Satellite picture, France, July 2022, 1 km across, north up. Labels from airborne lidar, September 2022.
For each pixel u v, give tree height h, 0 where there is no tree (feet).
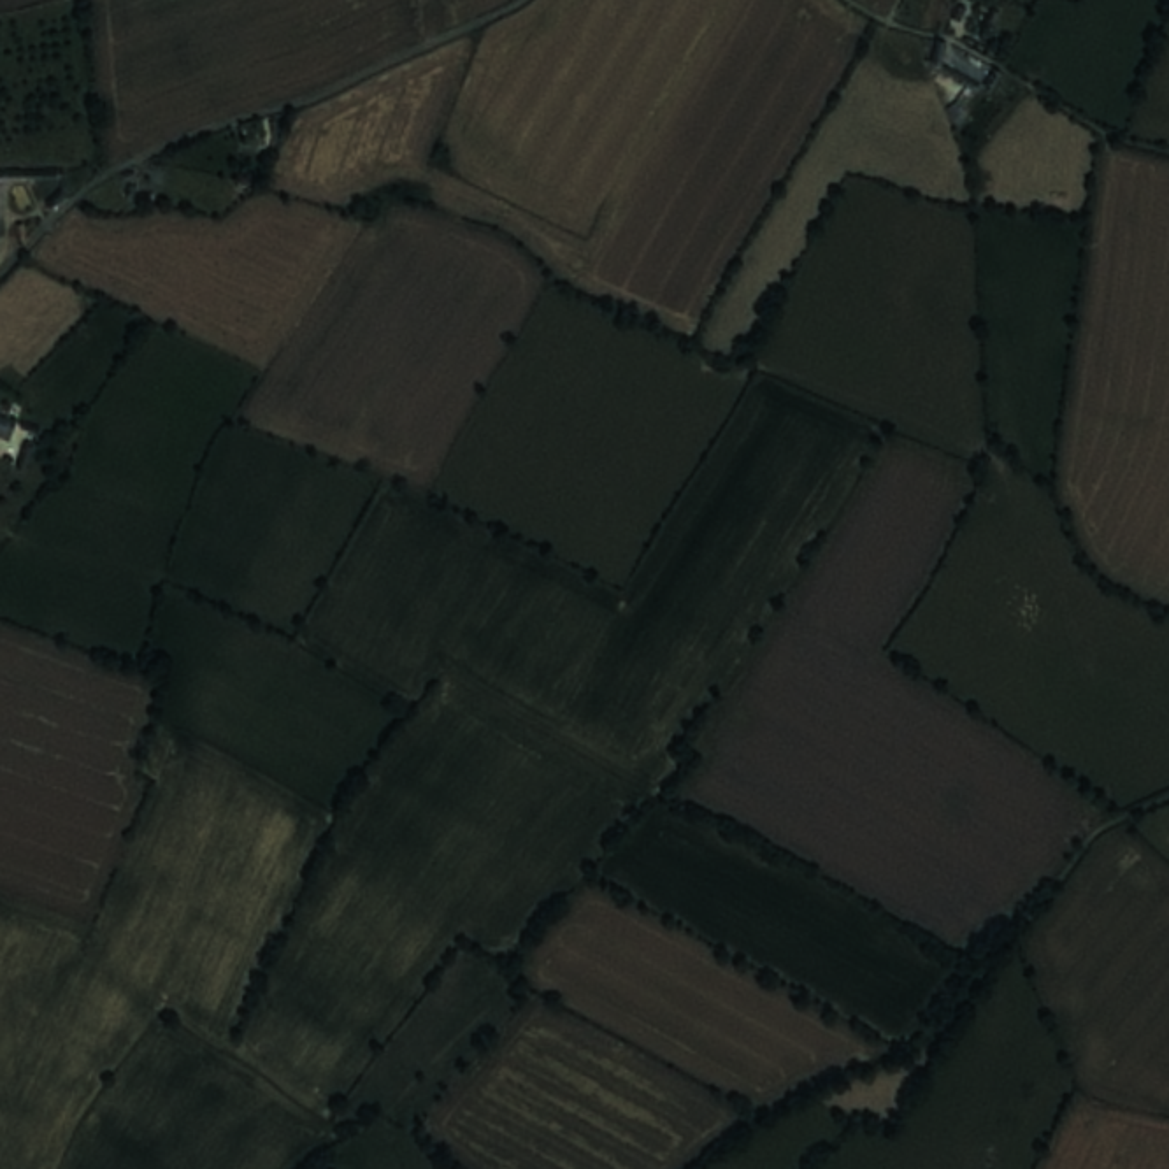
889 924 25
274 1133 0
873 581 0
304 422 0
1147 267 0
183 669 0
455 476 0
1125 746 0
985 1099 0
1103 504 0
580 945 0
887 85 0
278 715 0
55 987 0
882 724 0
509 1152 0
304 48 0
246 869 0
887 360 0
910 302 0
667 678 0
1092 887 0
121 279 0
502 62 0
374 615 0
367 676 0
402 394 0
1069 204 0
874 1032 30
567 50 0
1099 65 0
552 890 0
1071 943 0
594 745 0
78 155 0
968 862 0
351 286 0
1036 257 0
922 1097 51
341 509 0
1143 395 0
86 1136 0
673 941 0
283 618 0
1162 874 0
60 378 0
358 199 39
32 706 0
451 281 0
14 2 0
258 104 0
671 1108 0
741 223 0
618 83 0
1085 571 48
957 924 0
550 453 0
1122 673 0
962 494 0
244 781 0
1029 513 0
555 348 0
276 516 0
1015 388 0
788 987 21
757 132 0
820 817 0
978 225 40
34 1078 0
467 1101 0
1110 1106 0
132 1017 0
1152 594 0
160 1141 0
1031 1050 0
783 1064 0
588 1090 0
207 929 0
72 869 0
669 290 0
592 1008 0
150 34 0
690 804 33
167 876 0
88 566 0
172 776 0
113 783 0
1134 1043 0
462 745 0
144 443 0
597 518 0
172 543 20
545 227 0
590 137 0
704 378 0
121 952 0
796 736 0
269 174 53
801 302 0
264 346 0
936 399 0
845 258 0
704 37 0
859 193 0
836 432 0
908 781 0
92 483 0
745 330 0
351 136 0
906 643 0
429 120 0
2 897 0
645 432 0
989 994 52
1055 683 0
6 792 0
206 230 0
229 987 0
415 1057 0
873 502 0
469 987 0
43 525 0
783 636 0
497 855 0
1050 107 37
